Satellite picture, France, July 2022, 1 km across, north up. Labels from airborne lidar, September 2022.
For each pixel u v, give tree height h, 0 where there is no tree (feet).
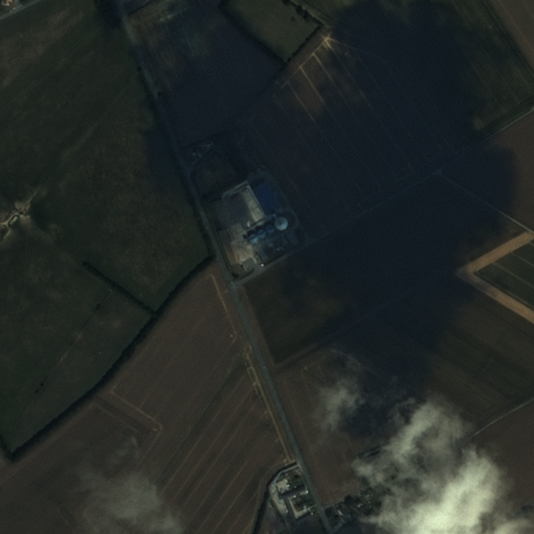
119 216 0
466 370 0
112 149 0
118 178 0
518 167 0
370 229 0
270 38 0
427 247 0
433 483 0
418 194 0
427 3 0
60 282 0
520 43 0
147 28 0
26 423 0
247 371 0
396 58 0
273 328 0
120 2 0
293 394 0
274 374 0
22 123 0
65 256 0
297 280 0
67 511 0
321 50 0
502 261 0
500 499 0
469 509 0
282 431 0
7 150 0
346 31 0
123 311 0
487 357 0
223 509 0
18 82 0
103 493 0
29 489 0
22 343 0
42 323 0
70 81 0
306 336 0
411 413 0
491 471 0
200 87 0
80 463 0
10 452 28
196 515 0
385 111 0
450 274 0
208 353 0
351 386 0
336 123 0
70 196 0
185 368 0
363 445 0
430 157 0
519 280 0
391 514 0
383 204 0
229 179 0
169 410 0
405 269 0
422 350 0
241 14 0
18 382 0
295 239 0
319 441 0
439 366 0
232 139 0
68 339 0
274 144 0
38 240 0
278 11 0
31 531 0
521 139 0
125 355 44
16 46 0
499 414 0
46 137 0
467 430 0
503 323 0
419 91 0
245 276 0
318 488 0
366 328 0
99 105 0
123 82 0
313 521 0
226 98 0
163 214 0
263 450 0
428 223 0
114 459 0
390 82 0
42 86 0
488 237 0
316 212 0
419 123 0
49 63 0
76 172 0
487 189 0
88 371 0
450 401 0
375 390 0
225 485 0
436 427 0
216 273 0
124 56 0
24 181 0
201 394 0
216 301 0
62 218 0
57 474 0
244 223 0
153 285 0
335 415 0
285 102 0
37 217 0
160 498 0
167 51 0
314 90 0
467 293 0
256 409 0
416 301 0
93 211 0
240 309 0
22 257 0
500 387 0
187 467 0
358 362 0
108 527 0
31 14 0
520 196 0
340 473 0
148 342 0
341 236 0
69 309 0
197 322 0
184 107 0
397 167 0
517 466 0
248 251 0
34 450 0
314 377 0
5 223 0
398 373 0
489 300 0
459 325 0
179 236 0
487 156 0
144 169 0
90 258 0
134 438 0
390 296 0
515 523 0
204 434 0
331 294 0
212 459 0
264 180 33
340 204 0
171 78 0
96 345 0
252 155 0
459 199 0
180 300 0
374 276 0
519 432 0
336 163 0
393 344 0
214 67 0
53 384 0
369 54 0
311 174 0
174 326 0
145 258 0
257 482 0
